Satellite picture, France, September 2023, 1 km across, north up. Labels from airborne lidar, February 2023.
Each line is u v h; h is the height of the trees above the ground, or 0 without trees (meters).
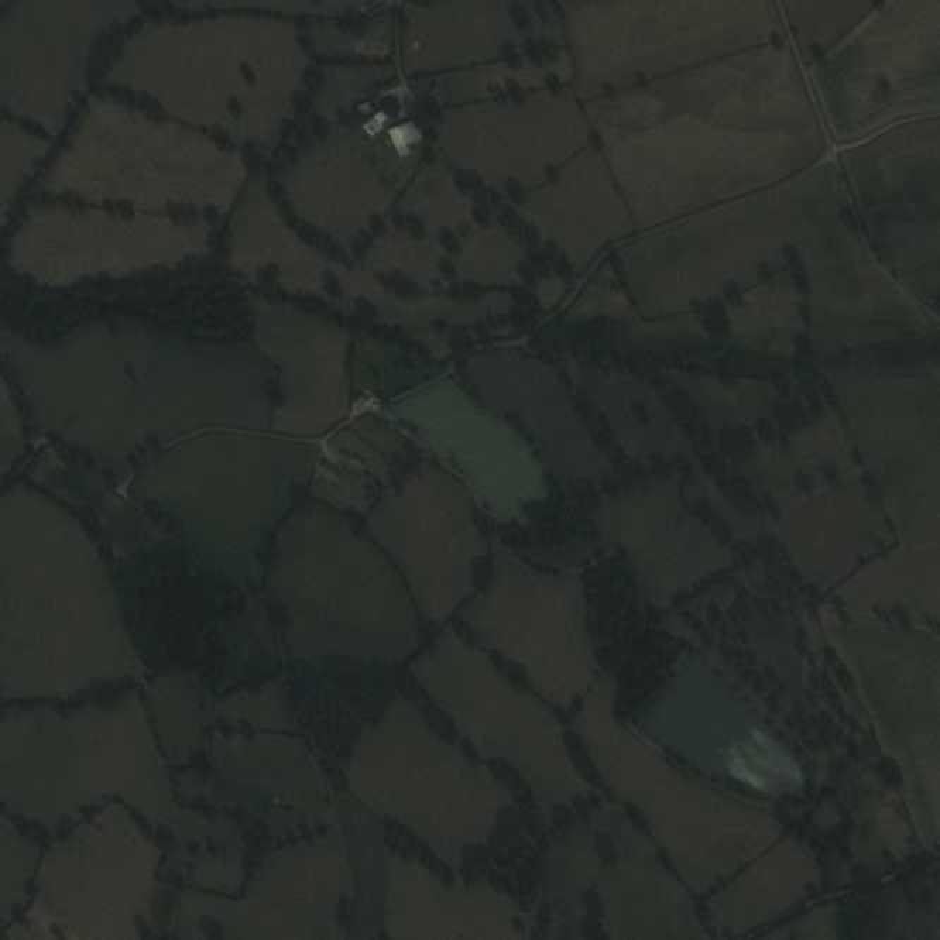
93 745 0
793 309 0
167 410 0
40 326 10
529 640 0
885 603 0
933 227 0
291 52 0
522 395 0
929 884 0
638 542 0
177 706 0
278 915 0
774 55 0
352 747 11
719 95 0
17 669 0
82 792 0
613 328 0
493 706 0
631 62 0
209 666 19
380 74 0
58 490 0
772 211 0
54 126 0
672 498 0
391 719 0
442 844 0
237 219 0
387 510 0
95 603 0
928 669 0
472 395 19
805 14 0
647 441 0
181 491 0
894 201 0
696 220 0
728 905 0
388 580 0
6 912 0
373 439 0
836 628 0
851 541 0
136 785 0
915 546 0
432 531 0
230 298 17
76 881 0
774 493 0
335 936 0
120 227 0
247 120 0
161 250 0
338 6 0
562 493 6
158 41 0
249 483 0
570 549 0
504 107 0
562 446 0
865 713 0
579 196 0
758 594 8
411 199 0
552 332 0
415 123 16
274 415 0
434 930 0
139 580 18
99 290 15
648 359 15
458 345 15
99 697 20
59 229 0
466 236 16
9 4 0
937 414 0
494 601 0
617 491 17
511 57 17
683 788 0
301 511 12
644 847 0
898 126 0
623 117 0
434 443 0
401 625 0
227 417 0
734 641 10
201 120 0
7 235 10
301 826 0
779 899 0
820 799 6
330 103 0
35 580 0
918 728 0
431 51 0
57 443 14
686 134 0
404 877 0
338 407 0
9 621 0
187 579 21
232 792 0
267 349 0
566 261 15
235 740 0
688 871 0
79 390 0
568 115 0
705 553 0
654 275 0
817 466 0
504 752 0
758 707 0
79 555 0
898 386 0
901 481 0
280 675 7
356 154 0
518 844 19
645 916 0
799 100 0
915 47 0
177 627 22
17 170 0
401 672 16
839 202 0
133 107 7
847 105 0
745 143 0
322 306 14
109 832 0
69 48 0
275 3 0
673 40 0
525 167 0
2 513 0
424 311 0
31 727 0
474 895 0
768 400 0
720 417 0
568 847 0
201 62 0
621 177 0
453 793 0
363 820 0
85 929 0
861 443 0
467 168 0
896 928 0
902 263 0
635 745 0
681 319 0
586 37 0
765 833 0
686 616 13
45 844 14
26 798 0
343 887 0
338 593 0
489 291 6
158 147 0
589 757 13
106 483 14
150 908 0
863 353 0
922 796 0
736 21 0
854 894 12
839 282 0
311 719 26
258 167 14
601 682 0
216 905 0
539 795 0
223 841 0
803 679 0
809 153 0
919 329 0
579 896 0
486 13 0
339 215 0
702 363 0
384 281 16
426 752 0
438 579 0
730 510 0
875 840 0
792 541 0
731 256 0
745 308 0
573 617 0
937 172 0
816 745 12
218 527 0
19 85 0
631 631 19
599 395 0
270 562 18
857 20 0
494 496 0
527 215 0
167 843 15
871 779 0
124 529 0
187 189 0
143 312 7
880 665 0
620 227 0
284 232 0
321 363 0
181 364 0
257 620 0
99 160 0
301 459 0
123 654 0
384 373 0
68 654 0
